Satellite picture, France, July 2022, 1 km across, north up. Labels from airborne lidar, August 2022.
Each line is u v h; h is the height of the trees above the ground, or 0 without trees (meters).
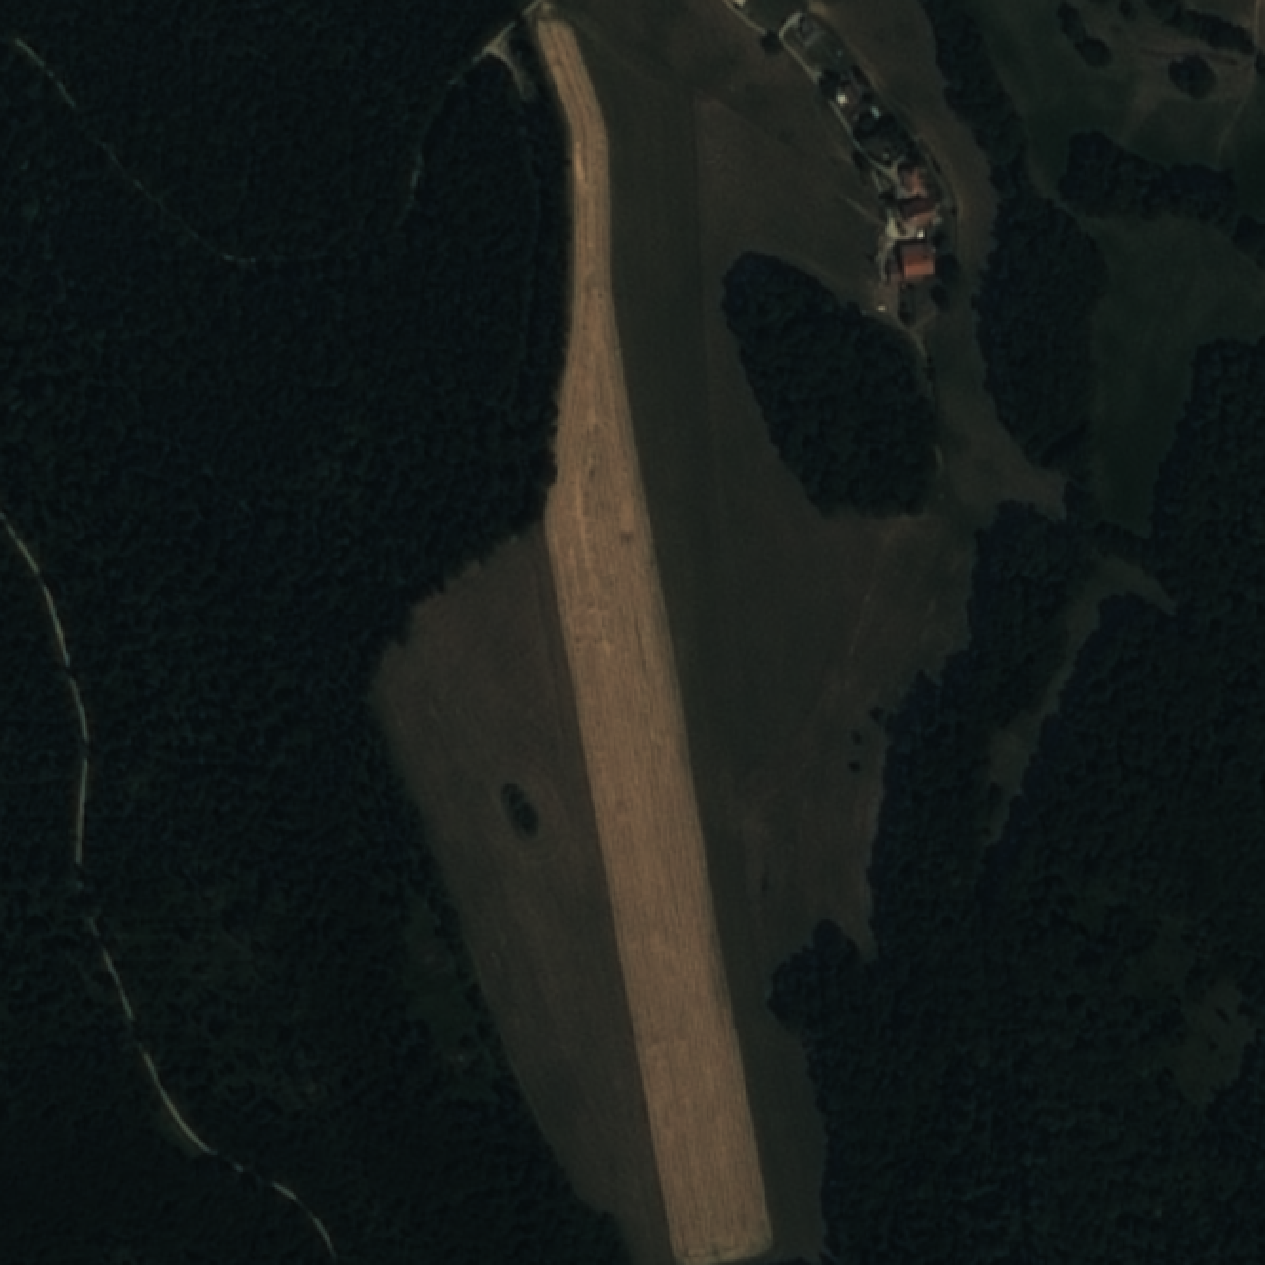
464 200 21
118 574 11
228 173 19
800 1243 0
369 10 18
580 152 0
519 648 0
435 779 0
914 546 0
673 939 0
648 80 0
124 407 13
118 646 15
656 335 0
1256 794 22
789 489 0
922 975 27
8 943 14
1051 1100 17
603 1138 0
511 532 8
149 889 12
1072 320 27
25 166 17
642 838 0
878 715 8
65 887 16
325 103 21
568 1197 15
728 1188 0
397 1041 24
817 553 0
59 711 13
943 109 0
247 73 17
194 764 8
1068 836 22
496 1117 25
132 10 7
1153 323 0
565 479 0
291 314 22
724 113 0
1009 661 13
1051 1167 24
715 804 0
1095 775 19
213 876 27
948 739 26
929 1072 25
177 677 21
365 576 13
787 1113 0
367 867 15
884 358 28
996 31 0
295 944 9
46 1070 15
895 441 27
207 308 23
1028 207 19
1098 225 0
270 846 9
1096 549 25
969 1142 8
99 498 16
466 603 0
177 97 17
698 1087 0
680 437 0
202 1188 16
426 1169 22
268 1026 6
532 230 19
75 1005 7
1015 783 0
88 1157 16
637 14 0
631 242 0
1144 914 10
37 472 23
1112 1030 21
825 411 23
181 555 11
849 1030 25
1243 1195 23
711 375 0
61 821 14
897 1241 10
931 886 21
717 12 0
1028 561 30
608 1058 0
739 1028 0
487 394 24
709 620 0
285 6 24
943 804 23
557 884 0
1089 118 0
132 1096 19
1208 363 19
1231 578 22
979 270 0
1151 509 0
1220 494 22
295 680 8
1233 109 0
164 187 12
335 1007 13
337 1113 22
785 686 0
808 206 0
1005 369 25
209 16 17
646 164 0
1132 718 21
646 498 0
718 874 0
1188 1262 12
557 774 0
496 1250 14
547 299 18
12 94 16
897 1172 11
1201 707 20
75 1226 16
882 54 0
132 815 13
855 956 24
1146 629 25
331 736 19
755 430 0
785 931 0
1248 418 18
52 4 15
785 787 0
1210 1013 0
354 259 24
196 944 7
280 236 21
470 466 13
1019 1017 19
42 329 19
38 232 23
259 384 15
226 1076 8
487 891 0
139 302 19
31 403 28
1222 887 20
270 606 16
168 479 10
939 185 0
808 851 0
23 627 12
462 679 0
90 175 19
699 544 0
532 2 0
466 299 20
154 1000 10
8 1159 13
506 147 21
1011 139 22
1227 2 0
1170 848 25
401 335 23
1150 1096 22
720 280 0
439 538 18
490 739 0
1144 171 20
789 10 0
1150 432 0
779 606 0
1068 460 20
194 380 16
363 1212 7
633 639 0
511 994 0
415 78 21
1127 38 0
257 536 20
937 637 0
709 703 0
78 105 14
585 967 0
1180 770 19
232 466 17
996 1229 11
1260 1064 20
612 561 0
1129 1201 20
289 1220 16
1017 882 27
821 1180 0
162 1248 18
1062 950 23
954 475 0
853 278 0
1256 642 22
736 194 0
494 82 21
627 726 0
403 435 9
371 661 21
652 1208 0
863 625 0
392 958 26
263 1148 18
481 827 0
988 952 23
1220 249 0
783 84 0
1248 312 0
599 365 0
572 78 0
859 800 0
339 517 11
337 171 22
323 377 16
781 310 25
